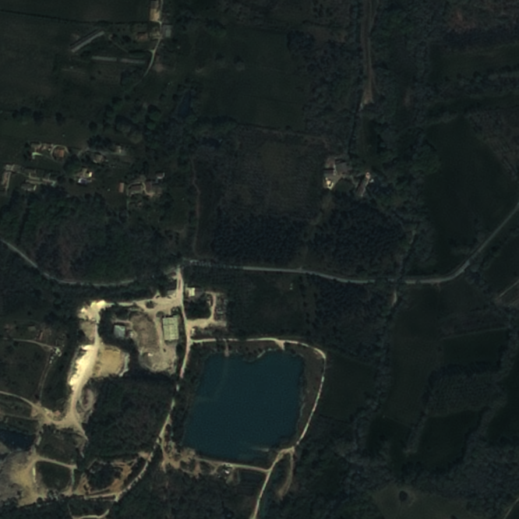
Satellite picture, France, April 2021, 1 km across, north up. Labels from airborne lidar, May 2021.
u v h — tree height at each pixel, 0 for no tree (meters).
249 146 7
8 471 0
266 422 0
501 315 16
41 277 18
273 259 19
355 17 17
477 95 23
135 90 12
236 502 0
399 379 0
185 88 9
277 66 0
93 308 0
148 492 20
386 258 20
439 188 0
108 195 0
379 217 18
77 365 0
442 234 0
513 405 0
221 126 20
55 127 0
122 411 20
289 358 0
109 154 0
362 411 10
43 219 15
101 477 12
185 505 18
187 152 17
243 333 18
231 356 0
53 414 0
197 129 27
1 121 0
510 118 0
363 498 24
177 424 13
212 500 14
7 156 0
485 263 10
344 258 17
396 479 17
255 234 15
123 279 16
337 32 11
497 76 17
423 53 9
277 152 0
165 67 0
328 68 14
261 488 0
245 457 0
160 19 0
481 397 32
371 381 0
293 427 0
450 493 17
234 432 0
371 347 6
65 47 0
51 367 0
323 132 10
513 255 0
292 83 0
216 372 0
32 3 0
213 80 0
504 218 0
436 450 0
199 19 6
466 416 0
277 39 0
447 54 9
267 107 0
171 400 10
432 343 0
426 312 0
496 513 14
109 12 0
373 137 0
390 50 12
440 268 0
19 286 7
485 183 0
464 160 0
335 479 0
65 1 0
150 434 11
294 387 0
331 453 17
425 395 0
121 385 15
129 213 12
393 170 24
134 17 0
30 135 0
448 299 0
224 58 16
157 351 0
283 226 16
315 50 22
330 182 0
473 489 20
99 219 18
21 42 0
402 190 14
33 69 0
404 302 14
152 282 15
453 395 30
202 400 0
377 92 0
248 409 0
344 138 6
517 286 0
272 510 13
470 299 0
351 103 7
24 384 0
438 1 10
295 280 0
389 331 14
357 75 13
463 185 0
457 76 0
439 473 12
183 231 0
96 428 15
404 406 0
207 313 10
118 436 15
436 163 22
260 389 0
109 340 15
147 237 22
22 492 0
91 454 13
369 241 19
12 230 17
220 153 22
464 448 0
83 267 24
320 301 0
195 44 0
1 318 0
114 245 22
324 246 20
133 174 7
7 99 0
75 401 0
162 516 18
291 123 0
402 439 0
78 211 14
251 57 0
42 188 0
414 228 14
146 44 0
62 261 25
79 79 0
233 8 8
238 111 0
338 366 0
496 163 0
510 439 0
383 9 13
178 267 16
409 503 0
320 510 17
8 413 0
